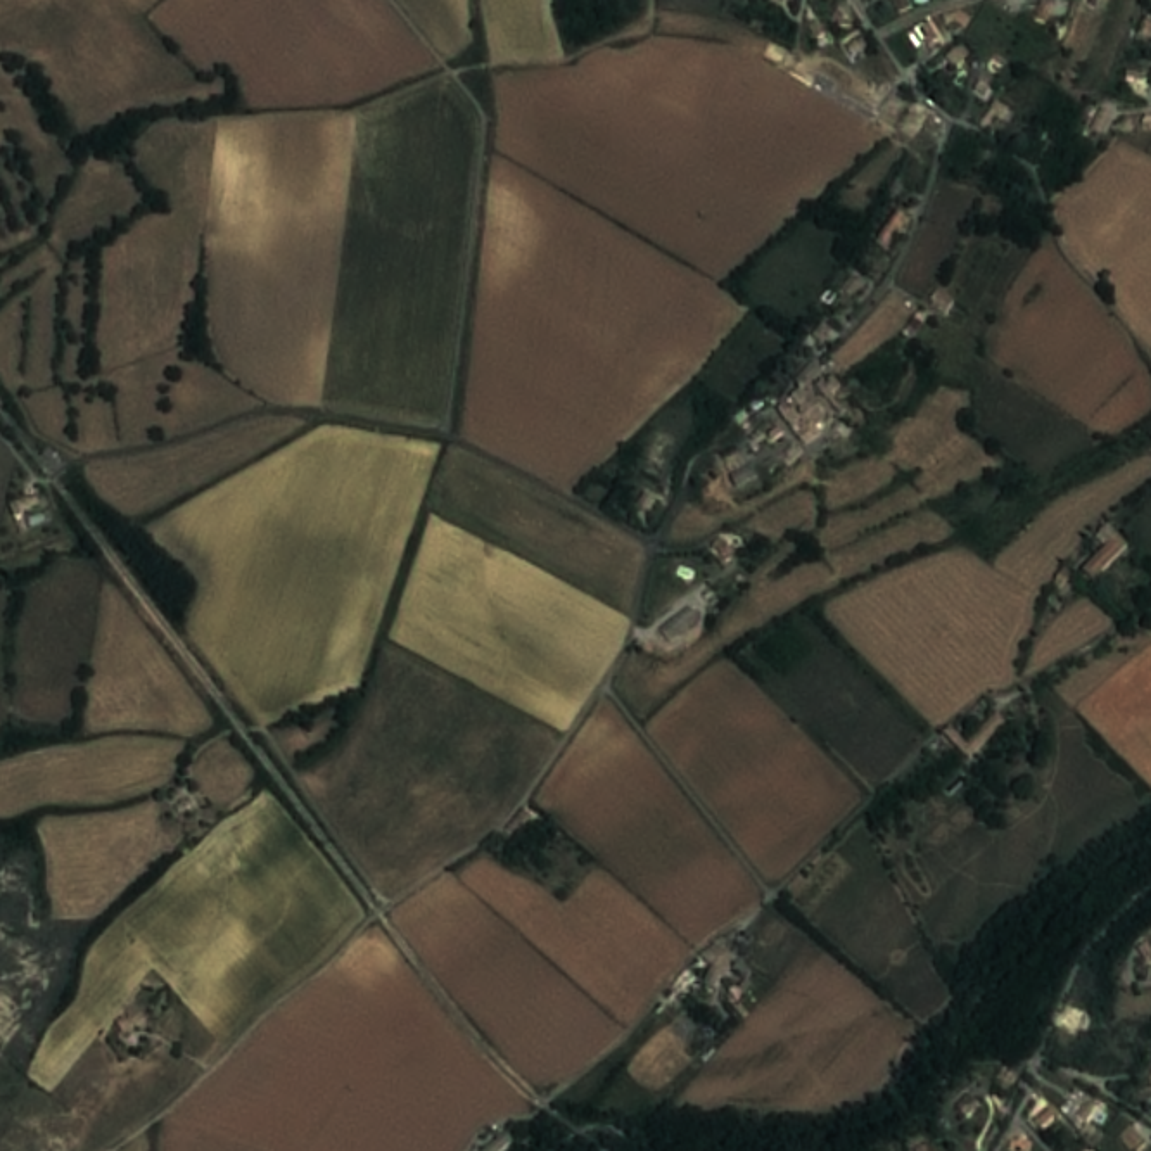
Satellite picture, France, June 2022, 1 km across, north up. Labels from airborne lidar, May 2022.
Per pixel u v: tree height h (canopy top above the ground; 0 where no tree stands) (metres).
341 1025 0
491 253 0
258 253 0
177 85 0
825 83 0
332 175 0
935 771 7
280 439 0
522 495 0
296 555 0
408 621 0
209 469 0
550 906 0
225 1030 0
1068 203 0
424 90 0
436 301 0
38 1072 0
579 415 0
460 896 0
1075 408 0
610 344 0
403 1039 0
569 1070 0
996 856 0
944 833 0
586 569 0
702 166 0
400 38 0
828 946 7
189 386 0
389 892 0
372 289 0
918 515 0
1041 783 0
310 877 0
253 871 0
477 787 0
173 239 0
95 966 0
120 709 0
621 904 0
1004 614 0
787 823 0
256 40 0
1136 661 0
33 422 0
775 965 0
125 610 0
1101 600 13
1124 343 0
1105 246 0
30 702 0
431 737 0
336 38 0
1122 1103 9
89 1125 0
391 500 0
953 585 0
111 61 0
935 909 0
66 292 9
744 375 0
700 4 0
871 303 0
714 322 0
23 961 0
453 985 0
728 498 0
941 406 0
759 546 11
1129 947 9
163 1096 0
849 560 0
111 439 0
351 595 0
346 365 0
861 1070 0
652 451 0
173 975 0
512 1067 0
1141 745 0
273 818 0
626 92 0
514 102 0
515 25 0
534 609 0
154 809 0
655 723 0
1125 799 0
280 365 0
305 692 0
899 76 0
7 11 0
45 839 0
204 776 0
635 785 0
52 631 0
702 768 0
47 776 0
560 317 0
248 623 0
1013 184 10
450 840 0
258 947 0
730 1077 0
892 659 0
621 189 0
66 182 12
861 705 0
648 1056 0
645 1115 7
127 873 0
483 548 0
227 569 0
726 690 0
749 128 0
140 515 0
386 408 0
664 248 0
